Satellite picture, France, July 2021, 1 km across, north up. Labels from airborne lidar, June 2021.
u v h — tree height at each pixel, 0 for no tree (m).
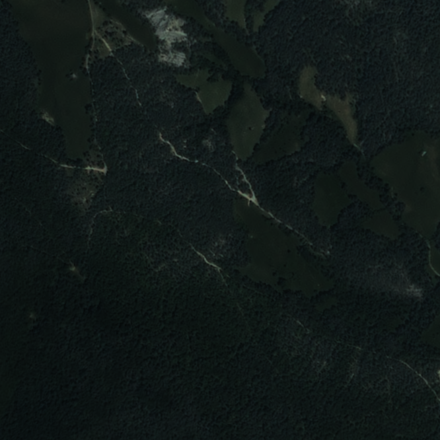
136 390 18
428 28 10
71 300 20
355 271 9
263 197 11
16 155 20
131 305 17
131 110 12
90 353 15
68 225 17
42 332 23
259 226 0
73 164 14
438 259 0
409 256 20
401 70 10
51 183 14
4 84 18
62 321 26
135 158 12
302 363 11
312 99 0
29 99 15
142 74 11
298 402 15
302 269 0
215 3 7
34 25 0
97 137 11
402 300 13
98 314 23
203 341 15
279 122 13
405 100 13
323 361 7
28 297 17
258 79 18
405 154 0
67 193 6
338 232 19
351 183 0
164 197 12
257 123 0
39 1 0
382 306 22
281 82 20
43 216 19
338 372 10
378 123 9
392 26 6
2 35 13
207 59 10
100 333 7
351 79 19
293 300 18
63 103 0
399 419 8
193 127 21
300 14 13
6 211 18
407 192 0
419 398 11
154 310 17
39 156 15
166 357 24
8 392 10
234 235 16
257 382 18
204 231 15
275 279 0
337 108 0
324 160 16
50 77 0
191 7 0
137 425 8
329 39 12
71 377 21
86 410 18
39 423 21
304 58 12
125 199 14
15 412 22
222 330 10
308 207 14
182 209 15
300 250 23
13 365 15
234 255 16
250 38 17
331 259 11
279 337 8
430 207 0
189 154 9
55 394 15
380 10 8
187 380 17
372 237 18
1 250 16
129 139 15
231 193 8
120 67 10
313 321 19
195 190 14
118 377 19
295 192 13
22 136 15
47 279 17
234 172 12
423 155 8
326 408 16
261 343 14
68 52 0
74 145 0
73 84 0
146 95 14
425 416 14
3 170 23
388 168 0
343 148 13
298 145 0
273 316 11
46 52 0
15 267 16
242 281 15
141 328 21
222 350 14
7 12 16
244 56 0
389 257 9
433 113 9
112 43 0
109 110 13
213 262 6
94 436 8
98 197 12
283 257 0
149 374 16
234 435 14
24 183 16
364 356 9
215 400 18
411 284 8
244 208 0
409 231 17
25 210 17
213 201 16
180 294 14
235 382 18
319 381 10
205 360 18
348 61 17
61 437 14
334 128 10
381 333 11
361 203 18
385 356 8
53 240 16
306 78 0
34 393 12
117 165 14
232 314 12
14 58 13
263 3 12
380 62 13
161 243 9
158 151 11
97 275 17
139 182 14
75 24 0
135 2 14
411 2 13
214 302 11
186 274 10
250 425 14
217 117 14
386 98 14
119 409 16
